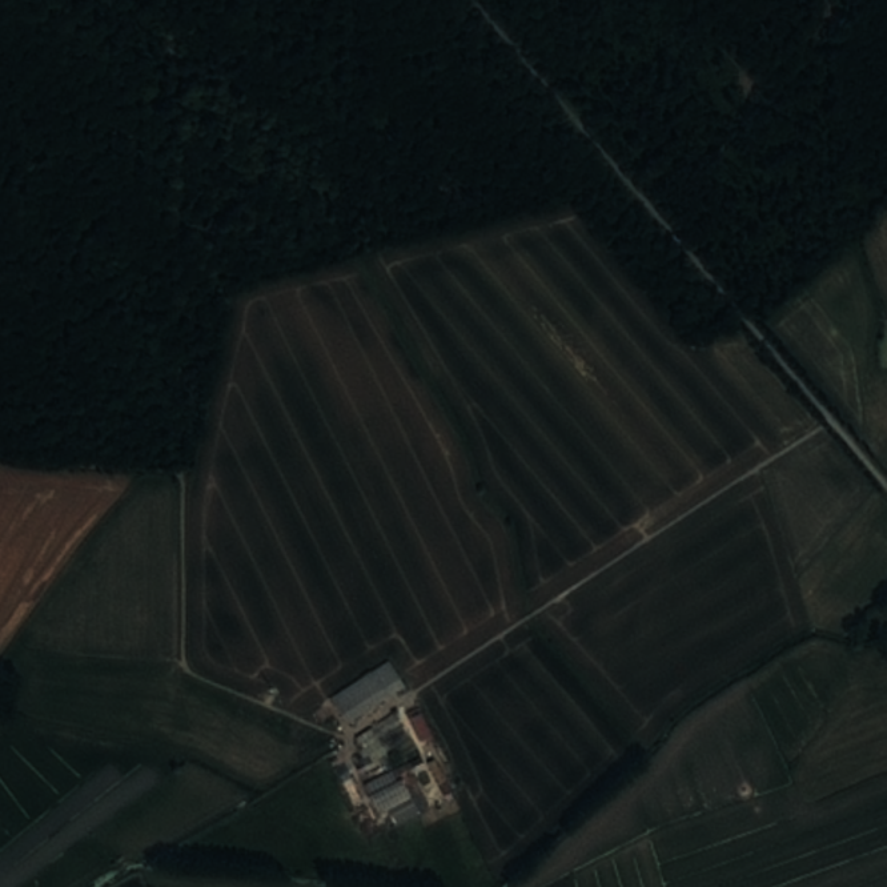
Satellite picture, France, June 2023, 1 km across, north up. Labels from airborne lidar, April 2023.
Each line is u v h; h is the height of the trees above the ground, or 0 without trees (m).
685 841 0
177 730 0
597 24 21
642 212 20
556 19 21
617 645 0
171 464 17
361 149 22
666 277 21
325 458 0
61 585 0
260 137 26
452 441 0
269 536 0
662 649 0
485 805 0
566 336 0
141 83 21
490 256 0
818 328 0
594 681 0
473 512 0
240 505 0
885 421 0
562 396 0
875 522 0
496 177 23
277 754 0
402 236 16
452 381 0
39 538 0
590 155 23
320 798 0
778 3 24
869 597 0
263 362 0
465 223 15
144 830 0
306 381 0
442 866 0
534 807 0
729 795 0
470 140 21
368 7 24
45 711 0
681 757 0
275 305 0
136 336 24
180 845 0
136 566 0
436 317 0
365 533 0
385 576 0
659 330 0
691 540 0
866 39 21
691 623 0
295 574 0
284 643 0
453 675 0
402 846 0
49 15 24
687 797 0
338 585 0
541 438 0
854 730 0
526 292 0
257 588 0
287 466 0
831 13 0
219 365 16
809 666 0
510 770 0
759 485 0
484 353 0
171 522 0
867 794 0
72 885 0
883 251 0
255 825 0
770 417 0
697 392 0
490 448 0
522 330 0
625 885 0
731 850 0
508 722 0
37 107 23
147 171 24
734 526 0
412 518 0
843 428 0
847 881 0
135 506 0
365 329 0
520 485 0
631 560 0
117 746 0
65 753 0
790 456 0
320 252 20
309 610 0
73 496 0
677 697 0
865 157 22
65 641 0
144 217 22
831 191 15
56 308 22
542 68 25
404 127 24
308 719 0
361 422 0
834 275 0
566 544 0
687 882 0
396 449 0
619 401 0
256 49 22
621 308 0
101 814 0
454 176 21
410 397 0
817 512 0
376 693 0
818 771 0
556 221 0
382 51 23
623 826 0
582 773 0
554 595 0
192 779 0
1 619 0
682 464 0
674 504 0
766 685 0
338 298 0
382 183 20
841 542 0
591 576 0
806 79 21
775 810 0
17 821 0
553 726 0
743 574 0
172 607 0
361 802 0
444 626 0
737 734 0
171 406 18
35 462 14
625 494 0
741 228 20
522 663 0
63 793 0
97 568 0
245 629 0
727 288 22
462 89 25
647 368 0
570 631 0
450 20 24
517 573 0
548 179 23
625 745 0
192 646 0
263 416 0
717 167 22
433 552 0
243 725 0
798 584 0
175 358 18
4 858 0
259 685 0
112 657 0
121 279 20
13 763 0
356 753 0
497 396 0
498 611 0
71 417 20
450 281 0
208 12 24
